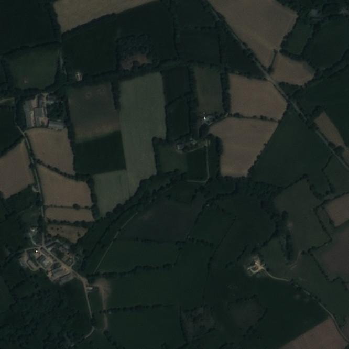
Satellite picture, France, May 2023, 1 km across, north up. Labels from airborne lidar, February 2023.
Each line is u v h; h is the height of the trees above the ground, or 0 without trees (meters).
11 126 0
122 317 0
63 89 16
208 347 0
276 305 0
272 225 0
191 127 20
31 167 15
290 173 0
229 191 0
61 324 12
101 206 0
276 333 0
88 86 18
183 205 0
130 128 0
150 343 0
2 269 15
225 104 13
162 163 0
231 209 0
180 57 16
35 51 14
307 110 0
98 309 0
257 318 0
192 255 0
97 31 0
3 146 0
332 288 0
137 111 0
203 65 19
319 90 0
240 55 0
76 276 0
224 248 0
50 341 7
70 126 17
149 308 7
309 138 0
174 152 0
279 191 15
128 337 0
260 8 0
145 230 0
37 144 0
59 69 9
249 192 8
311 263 0
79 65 0
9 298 0
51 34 0
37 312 9
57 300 0
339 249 0
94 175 0
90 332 0
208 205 8
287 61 0
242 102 0
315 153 0
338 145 0
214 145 0
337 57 0
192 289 0
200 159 0
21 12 0
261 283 0
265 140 0
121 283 0
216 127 0
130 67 0
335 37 0
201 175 0
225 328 0
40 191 0
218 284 0
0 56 11
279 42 0
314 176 0
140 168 0
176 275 0
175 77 0
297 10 14
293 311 0
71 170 0
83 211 0
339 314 0
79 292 0
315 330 0
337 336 0
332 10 19
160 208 0
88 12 0
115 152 0
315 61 0
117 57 11
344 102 0
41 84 0
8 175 0
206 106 0
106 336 17
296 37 0
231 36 11
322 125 0
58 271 0
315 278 0
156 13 0
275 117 0
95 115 0
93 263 0
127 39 10
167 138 14
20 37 0
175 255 0
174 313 0
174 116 0
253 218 0
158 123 0
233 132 0
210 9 11
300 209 0
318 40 0
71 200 0
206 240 0
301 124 0
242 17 0
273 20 0
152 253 0
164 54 0
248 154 0
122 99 0
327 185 0
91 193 9
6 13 0
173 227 0
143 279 0
